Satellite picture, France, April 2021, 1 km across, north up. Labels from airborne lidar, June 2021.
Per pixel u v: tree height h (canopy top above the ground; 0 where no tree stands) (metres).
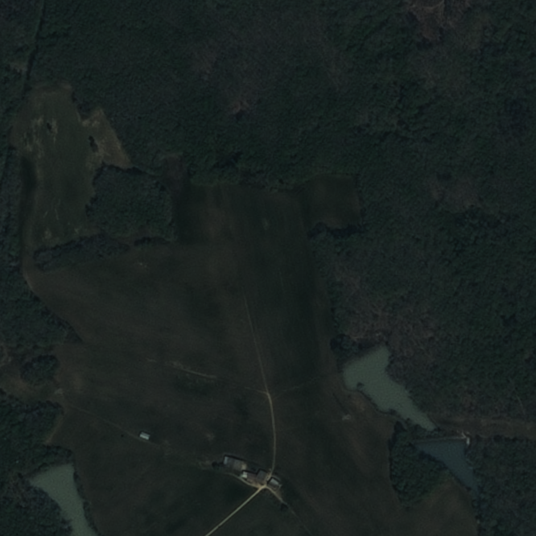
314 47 19
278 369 0
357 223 0
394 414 10
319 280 0
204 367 0
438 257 19
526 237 27
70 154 0
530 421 13
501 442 18
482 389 15
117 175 16
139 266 0
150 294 0
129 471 0
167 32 18
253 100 19
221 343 0
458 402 18
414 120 21
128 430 0
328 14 16
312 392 0
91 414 0
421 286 18
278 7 14
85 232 0
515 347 18
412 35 13
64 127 0
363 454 0
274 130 19
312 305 0
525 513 23
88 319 0
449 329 14
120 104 21
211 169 19
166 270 0
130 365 0
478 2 17
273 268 0
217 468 12
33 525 24
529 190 21
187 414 0
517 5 17
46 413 17
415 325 6
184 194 0
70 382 0
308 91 18
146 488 0
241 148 22
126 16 18
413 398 11
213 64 20
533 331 21
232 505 0
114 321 0
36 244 0
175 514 0
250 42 15
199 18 18
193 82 18
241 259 0
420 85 15
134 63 18
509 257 24
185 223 0
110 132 0
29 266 0
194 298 0
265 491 7
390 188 23
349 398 0
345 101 22
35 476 7
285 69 20
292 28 18
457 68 17
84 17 21
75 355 0
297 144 25
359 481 0
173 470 0
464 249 18
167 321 0
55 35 14
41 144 0
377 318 12
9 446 16
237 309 0
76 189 0
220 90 20
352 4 22
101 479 0
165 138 25
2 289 20
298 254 0
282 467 0
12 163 20
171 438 0
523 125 23
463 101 15
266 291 0
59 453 16
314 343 0
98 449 0
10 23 19
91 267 0
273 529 0
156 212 20
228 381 0
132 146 21
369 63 20
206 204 0
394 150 20
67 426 0
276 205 0
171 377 0
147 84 18
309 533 0
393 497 0
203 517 0
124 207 18
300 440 0
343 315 17
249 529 0
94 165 0
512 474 17
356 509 0
